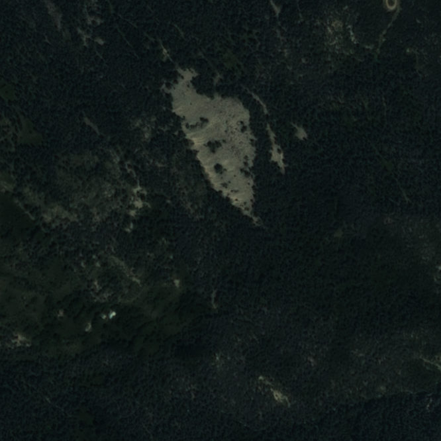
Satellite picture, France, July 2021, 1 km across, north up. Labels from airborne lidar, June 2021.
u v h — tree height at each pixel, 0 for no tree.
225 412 9
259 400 13
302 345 14
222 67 21
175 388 13
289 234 17
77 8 23
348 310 14
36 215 17
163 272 11
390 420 18
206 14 23
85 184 10
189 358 21
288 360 13
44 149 7
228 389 11
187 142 13
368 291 22
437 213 18
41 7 12
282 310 9
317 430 27
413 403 21
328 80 14
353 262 21
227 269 9
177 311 10
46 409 12
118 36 23
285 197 25
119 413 20
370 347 9
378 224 19
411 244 11
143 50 16
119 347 15
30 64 17
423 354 6
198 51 24
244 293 20
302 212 13
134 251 12
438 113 16
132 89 21
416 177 17
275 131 20
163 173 11
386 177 9
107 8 16
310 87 14
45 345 11
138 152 7
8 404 21
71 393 23
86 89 25
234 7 13
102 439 15
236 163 0
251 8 13
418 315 14
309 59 12
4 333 10
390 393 11
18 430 22
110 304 7
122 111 17
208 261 15
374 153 16
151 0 15
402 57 6
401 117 16
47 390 18
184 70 11
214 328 14
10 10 9
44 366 12
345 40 10
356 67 9
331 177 19
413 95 14
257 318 13
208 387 11
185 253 16
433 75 6
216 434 9
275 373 10
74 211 8
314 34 10
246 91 9
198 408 20
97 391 13
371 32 6
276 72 16
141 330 12
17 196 17
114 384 23
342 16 6
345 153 27
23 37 21
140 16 12
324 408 13
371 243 24
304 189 14
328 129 23
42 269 8
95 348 12
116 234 9
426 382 10
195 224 9
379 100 6
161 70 16
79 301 16
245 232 29
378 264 9
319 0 13
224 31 23
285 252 26
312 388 9
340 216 13
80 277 8
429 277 9
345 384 10
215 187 0
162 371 23
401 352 9
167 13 11
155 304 7
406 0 9
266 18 11
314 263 9
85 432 13
